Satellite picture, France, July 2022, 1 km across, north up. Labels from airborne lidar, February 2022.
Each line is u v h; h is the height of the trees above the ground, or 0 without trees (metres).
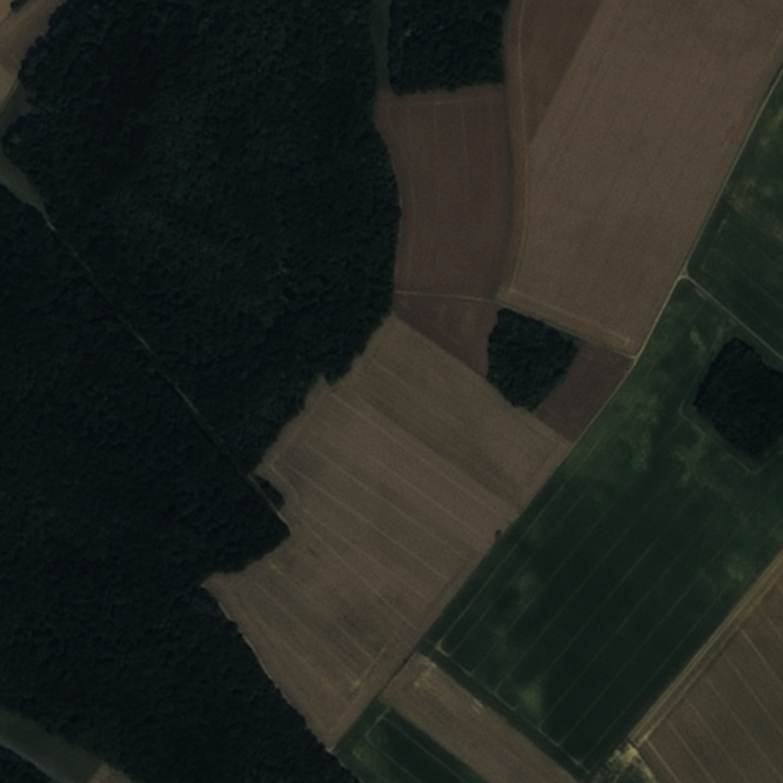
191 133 12
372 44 18
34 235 21
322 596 0
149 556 28
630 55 0
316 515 0
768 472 0
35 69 17
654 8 0
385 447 0
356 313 23
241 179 19
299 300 24
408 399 0
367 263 16
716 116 0
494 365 14
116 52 28
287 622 0
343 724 0
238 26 9
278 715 20
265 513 16
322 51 21
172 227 14
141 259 17
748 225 0
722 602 0
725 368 17
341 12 20
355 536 0
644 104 0
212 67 10
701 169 0
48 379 18
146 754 27
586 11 0
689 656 0
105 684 22
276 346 24
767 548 0
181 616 23
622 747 0
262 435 20
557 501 0
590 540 0
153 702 19
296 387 18
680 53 0
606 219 0
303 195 21
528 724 0
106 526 23
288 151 17
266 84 22
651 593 0
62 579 23
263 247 19
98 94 24
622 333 0
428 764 0
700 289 0
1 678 21
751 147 0
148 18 22
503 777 0
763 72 0
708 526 0
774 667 0
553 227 0
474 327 0
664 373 0
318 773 21
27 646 24
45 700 23
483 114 0
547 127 0
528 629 0
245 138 18
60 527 22
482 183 0
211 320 23
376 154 15
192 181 11
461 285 0
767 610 0
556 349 16
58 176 21
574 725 0
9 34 0
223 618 15
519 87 0
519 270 0
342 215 19
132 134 17
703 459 0
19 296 24
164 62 18
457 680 0
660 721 0
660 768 0
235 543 23
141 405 21
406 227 0
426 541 0
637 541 0
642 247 0
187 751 24
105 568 28
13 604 20
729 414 21
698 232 0
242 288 20
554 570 0
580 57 0
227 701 21
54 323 27
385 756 0
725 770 0
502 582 0
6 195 20
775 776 0
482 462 0
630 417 0
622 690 0
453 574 0
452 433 0
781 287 0
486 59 16
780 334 0
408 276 0
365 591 0
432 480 0
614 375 0
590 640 0
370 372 0
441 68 14
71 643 20
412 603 0
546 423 0
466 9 18
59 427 23
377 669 0
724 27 0
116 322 25
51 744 0
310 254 18
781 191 0
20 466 16
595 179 0
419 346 0
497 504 0
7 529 16
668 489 0
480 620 0
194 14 19
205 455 25
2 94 0
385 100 0
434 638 0
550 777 0
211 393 25
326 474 0
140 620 23
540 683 0
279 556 0
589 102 0
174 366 21
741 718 0
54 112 21
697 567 0
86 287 27
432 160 0
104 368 25
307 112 17
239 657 20
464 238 0
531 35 0
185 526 30
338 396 0
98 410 21
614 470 0
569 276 0
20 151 20
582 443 0
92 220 12
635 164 0
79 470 19
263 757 9
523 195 0
